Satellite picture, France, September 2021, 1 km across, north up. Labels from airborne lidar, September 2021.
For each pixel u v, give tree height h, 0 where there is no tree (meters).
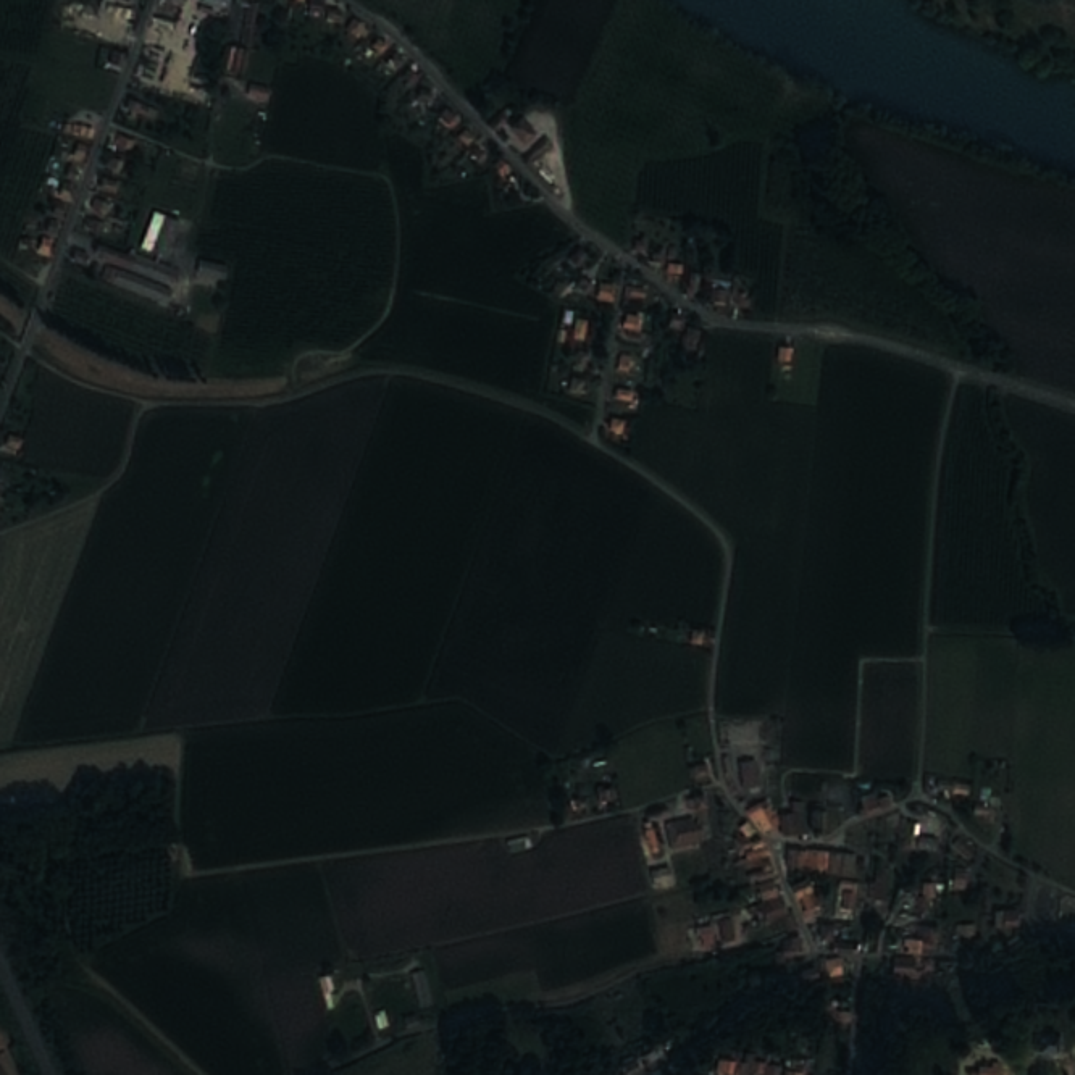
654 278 0
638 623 8
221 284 6
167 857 13
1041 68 20
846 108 9
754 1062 0
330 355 0
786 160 6
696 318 9
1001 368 15
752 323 0
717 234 15
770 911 0
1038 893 0
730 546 0
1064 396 0
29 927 11
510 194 11
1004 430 9
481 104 19
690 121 7
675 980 0
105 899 10
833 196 32
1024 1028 19
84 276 12
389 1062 0
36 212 6
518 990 0
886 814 0
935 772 0
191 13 0
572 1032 10
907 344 0
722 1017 12
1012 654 0
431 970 0
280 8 10
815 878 8
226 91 11
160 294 0
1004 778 0
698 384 6
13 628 0
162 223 0
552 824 10
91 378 0
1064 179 16
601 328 11
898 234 26
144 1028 0
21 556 0
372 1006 0
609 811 7
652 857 0
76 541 0
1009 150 16
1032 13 0
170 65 0
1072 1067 0
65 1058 11
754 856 0
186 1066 0
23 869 15
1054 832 0
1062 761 0
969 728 0
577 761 7
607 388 0
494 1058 17
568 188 0
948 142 12
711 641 0
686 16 7
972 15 9
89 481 0
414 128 10
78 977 0
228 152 0
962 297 21
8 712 0
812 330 0
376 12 0
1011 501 7
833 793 0
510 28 9
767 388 7
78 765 0
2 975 0
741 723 0
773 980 11
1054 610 10
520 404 0
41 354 0
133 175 6
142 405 0
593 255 6
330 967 9
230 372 0
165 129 6
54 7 0
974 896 9
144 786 24
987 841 0
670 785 0
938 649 0
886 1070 26
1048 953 14
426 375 0
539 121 0
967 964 13
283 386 0
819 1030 16
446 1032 17
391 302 0
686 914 0
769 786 0
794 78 33
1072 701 0
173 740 0
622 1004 0
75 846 17
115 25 0
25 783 0
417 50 0
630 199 0
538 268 8
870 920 11
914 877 10
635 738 0
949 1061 0
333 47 7
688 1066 17
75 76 0
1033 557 7
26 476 8
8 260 0
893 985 0
